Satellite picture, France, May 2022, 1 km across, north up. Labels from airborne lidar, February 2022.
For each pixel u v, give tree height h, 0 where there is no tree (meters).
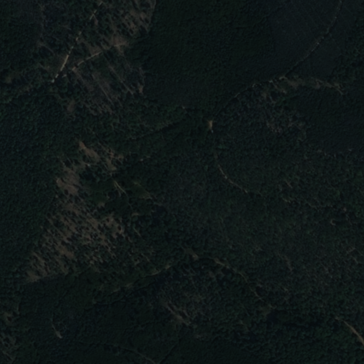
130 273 38
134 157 29
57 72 0
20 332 13
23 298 16
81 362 10
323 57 19
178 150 28
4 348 31
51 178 27
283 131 30
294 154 21
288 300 20
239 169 24
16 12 22
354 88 10
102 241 0
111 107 21
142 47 13
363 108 10
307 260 27
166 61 25
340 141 9
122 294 7
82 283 9
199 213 26
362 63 24
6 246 22
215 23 24
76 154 34
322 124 12
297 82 0
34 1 20
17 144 24
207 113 31
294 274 24
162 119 22
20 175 22
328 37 17
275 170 26
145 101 27
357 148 9
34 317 13
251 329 41
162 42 23
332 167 24
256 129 25
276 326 40
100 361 11
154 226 42
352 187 28
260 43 21
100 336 12
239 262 26
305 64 19
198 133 31
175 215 29
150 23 27
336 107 10
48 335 15
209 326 35
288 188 30
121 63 6
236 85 19
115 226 0
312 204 28
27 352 10
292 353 32
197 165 26
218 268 8
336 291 31
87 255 33
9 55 26
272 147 23
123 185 36
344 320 35
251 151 23
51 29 24
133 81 8
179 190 29
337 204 30
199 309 28
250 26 21
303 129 6
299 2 16
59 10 6
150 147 22
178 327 8
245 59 19
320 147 11
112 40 0
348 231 27
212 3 19
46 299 19
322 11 16
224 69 16
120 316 11
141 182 41
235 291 32
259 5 22
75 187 0
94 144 30
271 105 27
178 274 35
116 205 16
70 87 0
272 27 20
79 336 13
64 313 20
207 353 18
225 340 19
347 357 35
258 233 25
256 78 16
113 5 25
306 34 16
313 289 25
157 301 31
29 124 25
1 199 23
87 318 18
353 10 17
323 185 26
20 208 22
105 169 40
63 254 0
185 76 23
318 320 25
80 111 24
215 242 30
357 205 28
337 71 19
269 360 18
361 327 16
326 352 28
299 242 26
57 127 26
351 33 20
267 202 21
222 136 26
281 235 24
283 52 19
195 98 24
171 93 21
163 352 12
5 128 25
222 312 27
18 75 0
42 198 24
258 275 29
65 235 0
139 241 28
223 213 22
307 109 12
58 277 11
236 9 23
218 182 28
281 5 19
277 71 18
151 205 12
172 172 28
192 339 17
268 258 28
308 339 34
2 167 19
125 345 11
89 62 7
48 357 9
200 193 24
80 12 25
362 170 22
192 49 24
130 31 0
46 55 26
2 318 8
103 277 9
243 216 25
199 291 28
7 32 27
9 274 20
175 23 19
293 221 23
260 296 34
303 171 25
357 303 28
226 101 15
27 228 23
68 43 26
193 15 14
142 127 20
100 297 16
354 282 31
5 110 27
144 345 10
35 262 28
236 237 27
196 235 31
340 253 26
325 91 9
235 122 28
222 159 25
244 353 14
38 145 25
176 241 42
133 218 38
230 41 20
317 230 30
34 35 20
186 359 17
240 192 22
